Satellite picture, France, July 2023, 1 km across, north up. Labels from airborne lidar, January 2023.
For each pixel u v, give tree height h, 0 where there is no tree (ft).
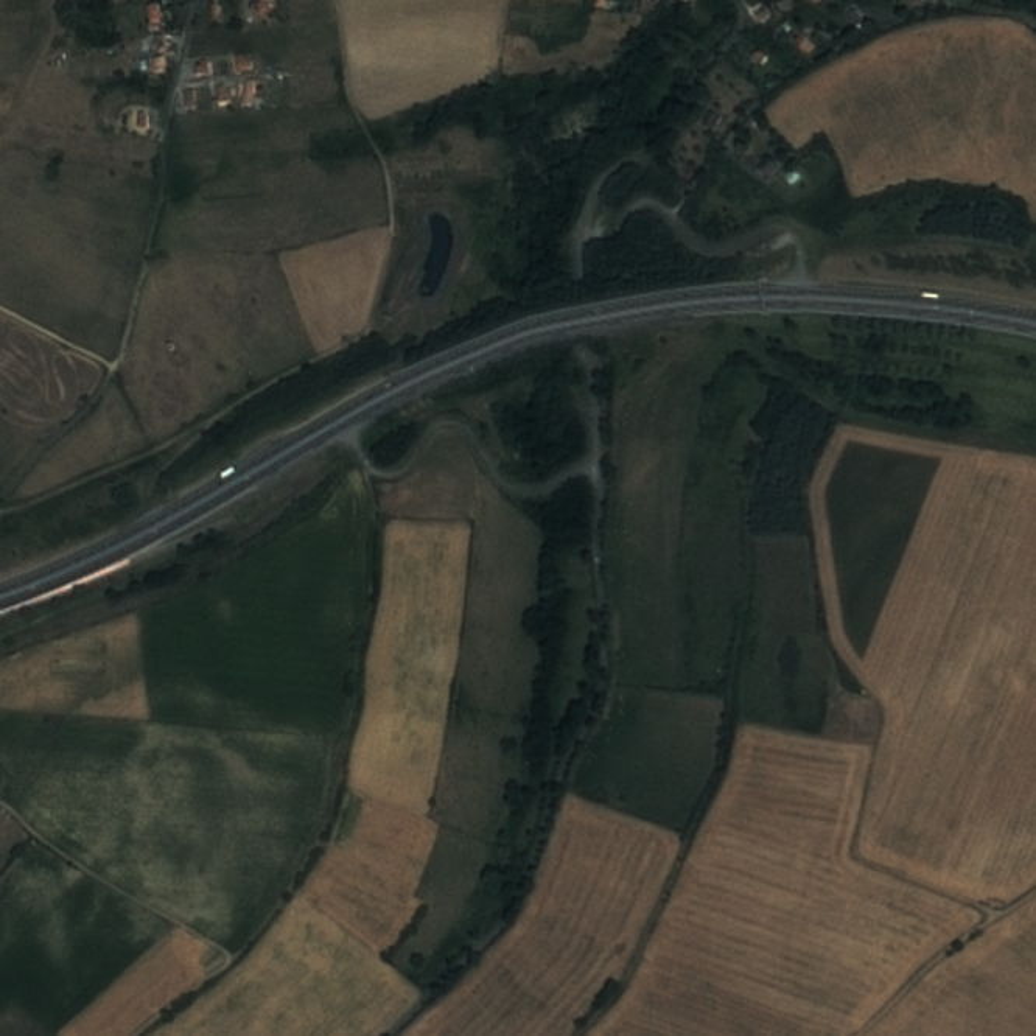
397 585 0
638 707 0
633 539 0
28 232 0
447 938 0
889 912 0
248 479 0
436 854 0
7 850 0
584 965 0
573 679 0
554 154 66
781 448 28
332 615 0
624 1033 0
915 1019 0
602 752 0
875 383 28
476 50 0
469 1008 0
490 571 0
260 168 0
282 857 0
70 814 0
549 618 52
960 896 0
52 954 0
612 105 28
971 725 0
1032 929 0
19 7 0
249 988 0
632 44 51
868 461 0
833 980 0
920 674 0
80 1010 0
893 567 0
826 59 31
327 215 0
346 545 0
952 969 0
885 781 0
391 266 0
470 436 0
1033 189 0
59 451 0
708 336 0
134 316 0
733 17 22
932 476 0
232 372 0
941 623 0
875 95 0
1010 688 0
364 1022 0
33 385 0
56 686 0
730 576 0
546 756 30
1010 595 0
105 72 0
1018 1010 0
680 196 0
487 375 20
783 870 0
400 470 0
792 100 0
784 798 0
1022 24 0
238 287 0
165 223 0
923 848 0
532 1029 0
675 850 0
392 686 0
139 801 0
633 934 0
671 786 0
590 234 0
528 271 25
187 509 0
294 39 0
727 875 0
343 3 0
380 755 0
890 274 0
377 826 0
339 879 0
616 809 0
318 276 0
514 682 0
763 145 0
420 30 0
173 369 0
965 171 0
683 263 20
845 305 0
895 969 0
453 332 30
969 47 0
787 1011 0
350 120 0
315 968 0
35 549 0
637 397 0
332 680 0
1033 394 0
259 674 0
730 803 0
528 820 0
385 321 0
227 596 0
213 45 0
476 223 0
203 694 0
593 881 0
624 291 20
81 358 0
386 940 0
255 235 0
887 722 0
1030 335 0
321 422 0
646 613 0
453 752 0
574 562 0
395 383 0
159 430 0
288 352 0
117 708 0
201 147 0
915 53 0
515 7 0
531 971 0
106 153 0
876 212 23
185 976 0
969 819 0
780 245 0
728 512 0
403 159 0
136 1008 0
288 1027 0
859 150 0
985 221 35
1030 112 0
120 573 0
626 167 26
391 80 0
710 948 0
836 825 0
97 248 0
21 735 0
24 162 0
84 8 26
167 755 0
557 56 0
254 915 0
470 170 0
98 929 0
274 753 0
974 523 0
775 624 0
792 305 0
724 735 26
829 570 0
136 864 0
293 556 0
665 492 0
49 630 0
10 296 0
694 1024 0
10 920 0
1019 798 0
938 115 0
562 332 0
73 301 0
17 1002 0
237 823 0
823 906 0
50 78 0
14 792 0
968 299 0
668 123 45
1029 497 0
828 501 0
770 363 0
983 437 0
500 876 76
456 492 0
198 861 0
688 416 0
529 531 0
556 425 48
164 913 0
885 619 0
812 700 0
